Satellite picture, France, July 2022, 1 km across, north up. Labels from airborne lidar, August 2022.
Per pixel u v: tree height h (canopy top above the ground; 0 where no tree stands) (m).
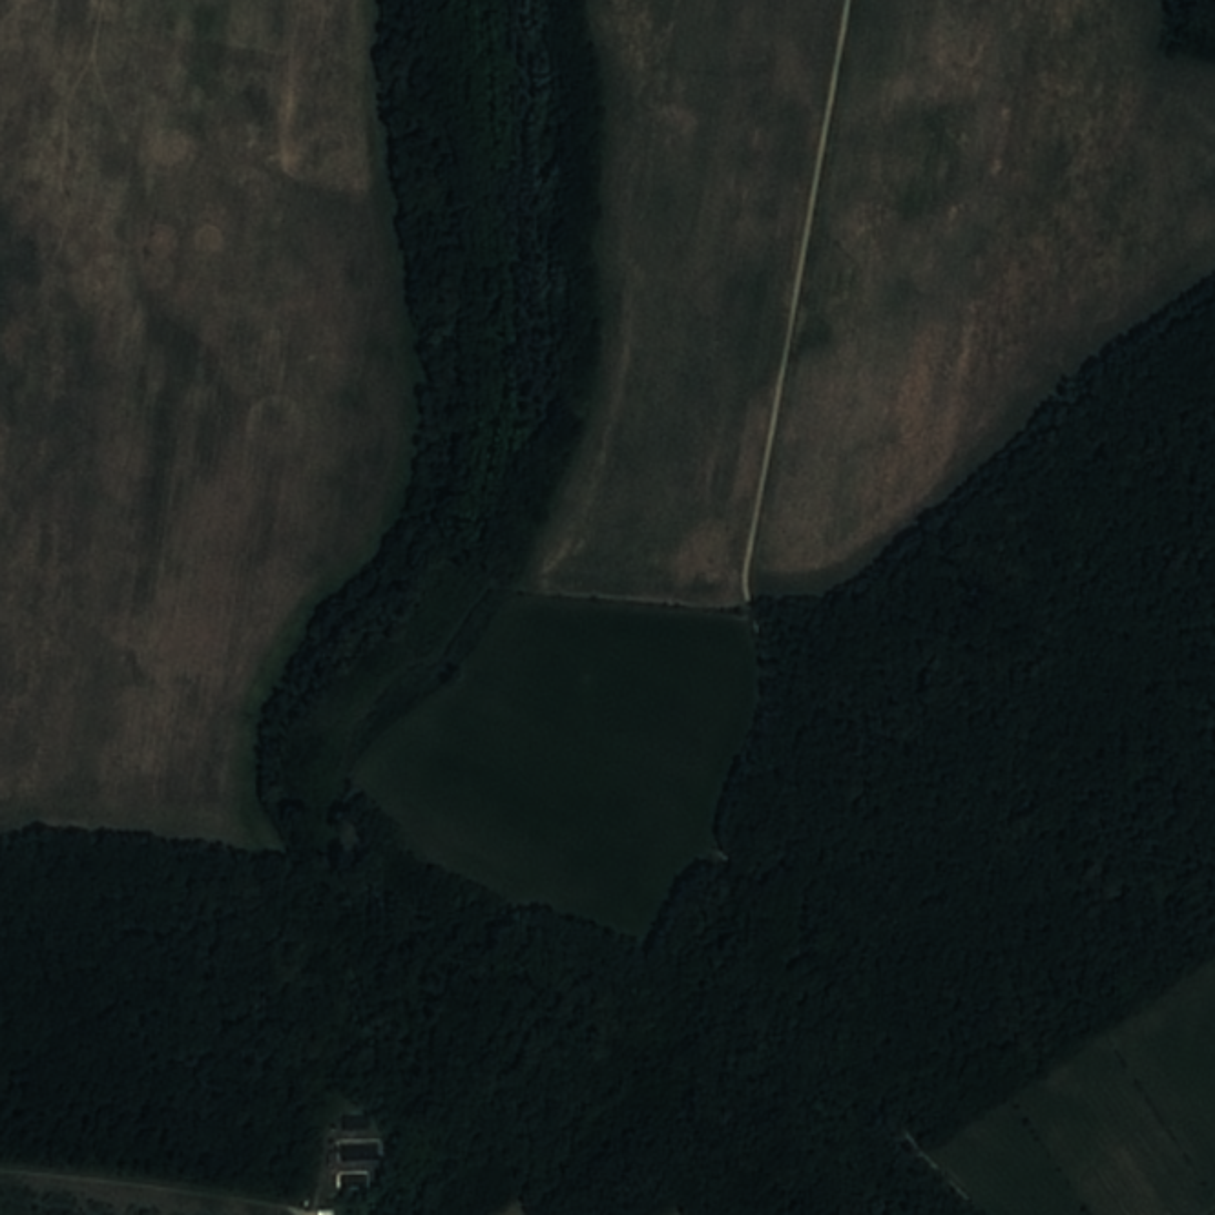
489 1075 23
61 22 0
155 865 20
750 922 17
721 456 0
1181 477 21
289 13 0
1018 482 22
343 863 26
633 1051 19
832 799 25
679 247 0
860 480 0
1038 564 23
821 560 0
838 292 0
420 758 0
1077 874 24
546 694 0
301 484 0
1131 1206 0
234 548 0
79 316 0
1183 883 14
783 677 17
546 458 16
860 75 0
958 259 0
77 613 0
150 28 0
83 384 0
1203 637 16
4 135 0
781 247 0
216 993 26
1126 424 22
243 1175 22
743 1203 18
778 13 0
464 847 0
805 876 21
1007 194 0
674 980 22
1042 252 0
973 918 22
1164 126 0
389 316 0
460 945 20
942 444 0
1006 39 0
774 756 21
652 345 0
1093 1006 15
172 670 0
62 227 0
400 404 0
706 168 0
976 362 0
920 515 0
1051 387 0
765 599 7
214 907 17
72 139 0
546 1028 23
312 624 10
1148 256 0
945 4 0
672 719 0
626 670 0
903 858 22
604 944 20
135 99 0
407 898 11
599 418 0
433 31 18
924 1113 19
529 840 0
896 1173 16
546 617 0
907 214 0
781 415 0
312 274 0
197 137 0
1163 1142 0
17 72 0
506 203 20
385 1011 17
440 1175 10
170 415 0
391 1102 16
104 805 0
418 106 21
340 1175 0
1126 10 0
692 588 0
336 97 0
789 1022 23
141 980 24
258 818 0
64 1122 17
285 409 0
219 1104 25
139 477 0
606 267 0
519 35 16
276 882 21
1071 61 0
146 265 0
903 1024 21
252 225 0
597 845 0
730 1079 24
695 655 0
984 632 22
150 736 0
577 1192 18
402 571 20
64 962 23
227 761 0
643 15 0
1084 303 0
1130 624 20
